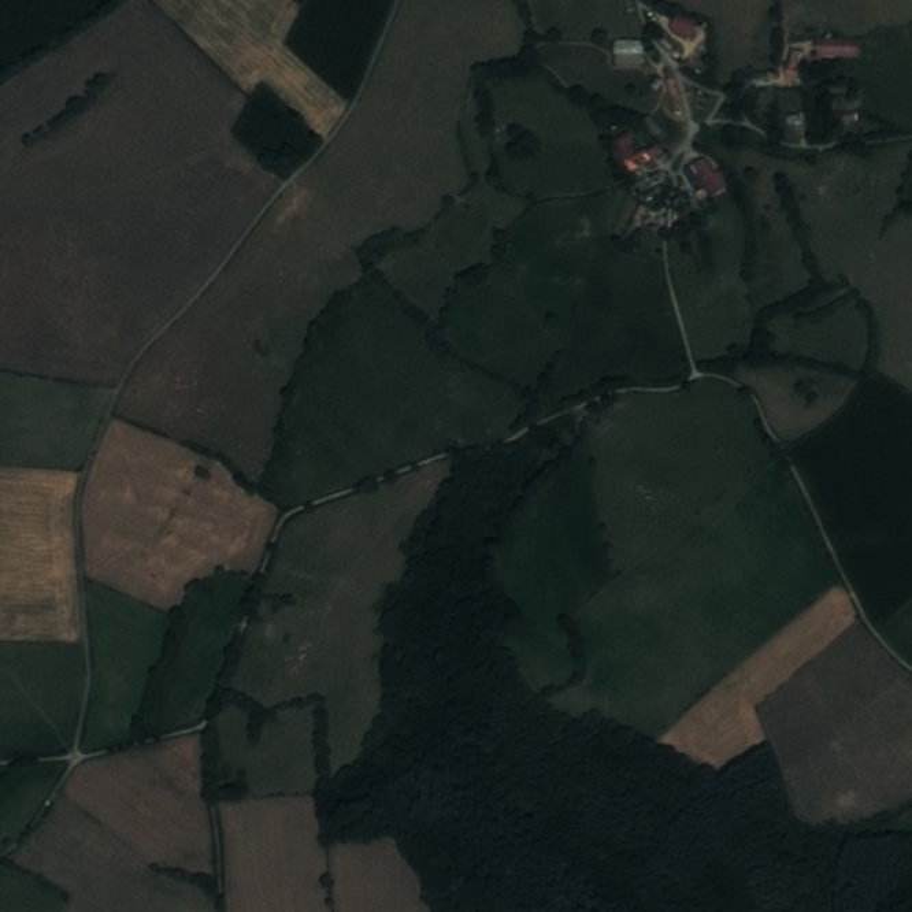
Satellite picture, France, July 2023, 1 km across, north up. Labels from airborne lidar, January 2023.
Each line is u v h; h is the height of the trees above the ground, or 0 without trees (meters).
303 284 0
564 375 0
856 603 0
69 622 0
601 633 0
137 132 0
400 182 0
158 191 0
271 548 13
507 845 33
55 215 0
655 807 20
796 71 0
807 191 0
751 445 0
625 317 0
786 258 0
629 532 0
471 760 28
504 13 0
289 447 0
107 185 0
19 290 0
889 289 0
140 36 0
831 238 0
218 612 0
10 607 0
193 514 0
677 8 12
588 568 0
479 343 0
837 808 0
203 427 0
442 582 25
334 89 0
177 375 0
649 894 20
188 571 0
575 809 13
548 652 0
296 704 11
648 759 13
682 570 0
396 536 0
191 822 0
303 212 0
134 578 0
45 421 0
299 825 0
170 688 0
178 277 0
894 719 0
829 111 16
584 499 0
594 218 0
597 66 0
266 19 0
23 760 12
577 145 0
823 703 0
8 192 0
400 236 15
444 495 10
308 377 0
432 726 22
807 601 0
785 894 14
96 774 0
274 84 0
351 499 0
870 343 7
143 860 0
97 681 0
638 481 0
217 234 0
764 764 25
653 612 0
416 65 0
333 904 13
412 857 14
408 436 0
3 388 0
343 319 0
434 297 0
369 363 0
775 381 0
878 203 0
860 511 0
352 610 0
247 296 0
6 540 0
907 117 0
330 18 0
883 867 26
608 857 25
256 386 0
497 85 0
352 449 0
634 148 7
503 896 19
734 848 14
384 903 0
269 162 14
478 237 0
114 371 0
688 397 0
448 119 0
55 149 0
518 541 0
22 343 0
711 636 0
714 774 16
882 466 0
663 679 0
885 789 0
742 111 13
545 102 0
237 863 0
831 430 0
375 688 0
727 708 0
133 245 0
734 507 0
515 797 29
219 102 0
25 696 0
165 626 0
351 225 0
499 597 22
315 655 0
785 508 0
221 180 0
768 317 9
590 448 0
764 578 0
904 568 0
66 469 0
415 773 26
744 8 0
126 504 0
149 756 0
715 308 0
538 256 0
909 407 0
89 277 0
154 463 0
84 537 0
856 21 0
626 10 0
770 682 0
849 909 25
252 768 0
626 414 0
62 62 0
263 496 10
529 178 0
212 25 0
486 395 0
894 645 0
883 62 0
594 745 15
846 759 0
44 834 0
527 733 16
